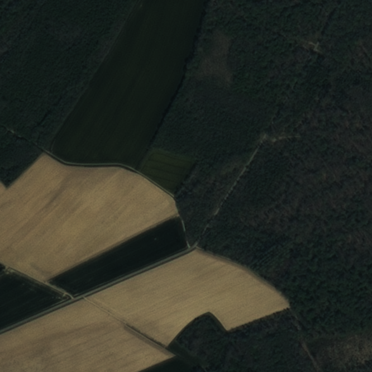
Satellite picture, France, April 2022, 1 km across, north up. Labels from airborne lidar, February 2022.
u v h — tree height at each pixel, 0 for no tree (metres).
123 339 0
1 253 0
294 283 27
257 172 13
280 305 0
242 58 23
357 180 27
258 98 16
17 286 0
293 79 25
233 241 12
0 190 0
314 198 28
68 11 14
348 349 0
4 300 0
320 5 22
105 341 0
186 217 13
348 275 23
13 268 0
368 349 0
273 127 16
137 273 0
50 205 0
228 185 9
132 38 0
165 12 0
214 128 17
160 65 0
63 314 0
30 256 0
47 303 0
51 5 15
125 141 0
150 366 0
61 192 0
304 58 24
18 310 0
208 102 17
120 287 0
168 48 0
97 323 0
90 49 14
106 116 0
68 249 0
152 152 0
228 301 0
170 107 13
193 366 0
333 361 0
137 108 0
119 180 0
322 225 29
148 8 0
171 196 0
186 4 0
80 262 0
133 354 0
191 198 22
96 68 10
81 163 0
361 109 16
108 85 0
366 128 21
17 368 0
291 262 15
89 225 0
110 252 0
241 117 18
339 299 27
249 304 0
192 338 11
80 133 0
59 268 0
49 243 0
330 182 27
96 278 0
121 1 16
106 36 19
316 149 24
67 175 0
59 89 12
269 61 23
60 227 0
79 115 0
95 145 0
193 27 0
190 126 19
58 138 0
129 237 0
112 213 0
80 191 0
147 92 0
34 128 26
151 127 0
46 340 0
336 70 22
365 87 18
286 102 16
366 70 22
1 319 0
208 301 0
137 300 0
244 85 21
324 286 34
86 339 0
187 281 0
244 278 0
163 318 0
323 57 7
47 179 0
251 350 24
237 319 0
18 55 16
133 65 0
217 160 26
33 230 0
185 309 0
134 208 0
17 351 0
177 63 0
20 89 15
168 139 19
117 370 0
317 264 29
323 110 25
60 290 0
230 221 16
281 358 22
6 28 15
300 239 13
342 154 14
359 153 24
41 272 0
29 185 0
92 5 17
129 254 0
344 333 25
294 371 20
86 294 0
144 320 0
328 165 23
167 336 0
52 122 22
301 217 21
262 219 16
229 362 30
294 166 24
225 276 0
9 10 23
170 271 0
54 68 14
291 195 29
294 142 21
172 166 0
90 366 0
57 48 14
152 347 0
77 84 24
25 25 15
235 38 22
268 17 23
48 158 0
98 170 0
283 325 23
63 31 18
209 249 11
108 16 15
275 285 9
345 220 22
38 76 14
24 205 0
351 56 22
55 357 0
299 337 27
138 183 0
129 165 0
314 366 25
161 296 0
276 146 11
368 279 24
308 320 25
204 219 11
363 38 25
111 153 0
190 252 0
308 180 27
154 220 0
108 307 0
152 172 0
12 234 0
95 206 0
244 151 24
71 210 0
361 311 25
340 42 25
